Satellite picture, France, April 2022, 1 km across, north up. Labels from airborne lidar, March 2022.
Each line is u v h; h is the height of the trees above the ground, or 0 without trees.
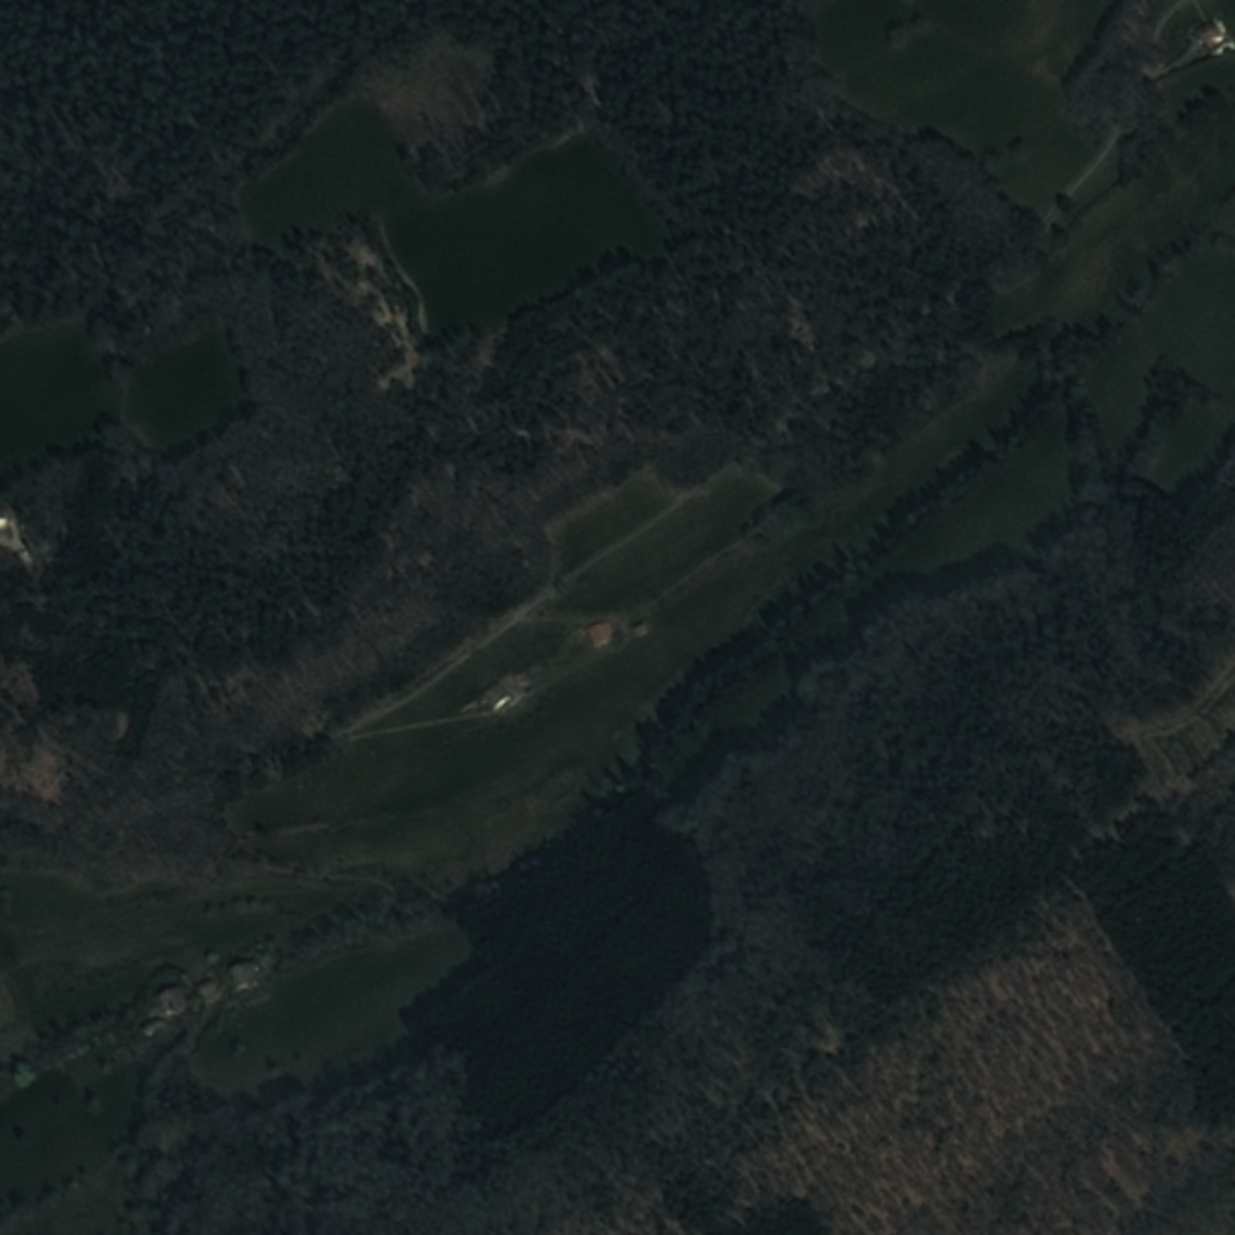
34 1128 0
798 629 23
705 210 30
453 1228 20
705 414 29
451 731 0
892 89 0
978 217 27
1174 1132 37
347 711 27
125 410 0
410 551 21
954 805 17
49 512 29
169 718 24
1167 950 29
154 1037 0
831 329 26
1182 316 0
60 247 16
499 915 19
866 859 19
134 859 28
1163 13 29
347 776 0
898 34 14
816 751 21
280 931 0
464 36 24
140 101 15
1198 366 0
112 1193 0
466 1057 15
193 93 34
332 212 0
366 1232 18
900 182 31
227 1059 0
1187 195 0
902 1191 27
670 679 0
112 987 0
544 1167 23
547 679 0
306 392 24
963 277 12
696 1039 20
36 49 39
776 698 0
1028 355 10
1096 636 28
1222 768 23
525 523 28
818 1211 24
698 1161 20
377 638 34
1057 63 0
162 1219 15
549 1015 19
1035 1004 31
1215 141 0
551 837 0
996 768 18
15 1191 0
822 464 32
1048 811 30
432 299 0
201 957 0
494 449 30
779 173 29
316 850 0
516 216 0
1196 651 19
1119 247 0
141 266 29
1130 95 30
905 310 33
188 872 26
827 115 27
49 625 7
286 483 22
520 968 17
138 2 31
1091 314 0
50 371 0
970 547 0
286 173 0
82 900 0
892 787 20
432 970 0
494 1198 22
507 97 24
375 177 0
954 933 25
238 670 30
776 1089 23
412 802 0
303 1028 0
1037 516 0
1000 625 23
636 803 16
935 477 0
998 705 22
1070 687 22
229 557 19
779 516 21
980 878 25
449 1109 28
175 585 29
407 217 0
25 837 34
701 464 25
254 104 33
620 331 24
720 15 30
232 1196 23
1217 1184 34
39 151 9
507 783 0
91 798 26
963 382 31
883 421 13
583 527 0
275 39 29
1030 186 0
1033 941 25
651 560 0
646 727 0
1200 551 24
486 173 20
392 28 23
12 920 22
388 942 25
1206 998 30
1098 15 0
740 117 34
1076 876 20
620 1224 20
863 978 21
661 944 17
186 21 31
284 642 28
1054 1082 18
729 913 24
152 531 31
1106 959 26
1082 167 0
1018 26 0
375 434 17
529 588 24
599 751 0
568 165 0
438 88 0
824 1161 28
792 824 19
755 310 24
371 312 10
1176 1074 33
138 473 22
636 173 26
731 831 22
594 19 19
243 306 27
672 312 29
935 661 22
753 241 9
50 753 30
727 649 0
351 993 0
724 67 33
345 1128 28
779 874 25
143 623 24
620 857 15
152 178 29
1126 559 23
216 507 27
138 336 26
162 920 0
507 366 14
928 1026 25
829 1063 19
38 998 0
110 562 12
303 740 16
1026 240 28
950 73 0
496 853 0
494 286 0
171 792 27
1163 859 27
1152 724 23
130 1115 0
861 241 24
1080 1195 33
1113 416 0
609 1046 16
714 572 0
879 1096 24
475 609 22
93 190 36
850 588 16
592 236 0
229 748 24
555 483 29
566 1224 23
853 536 0
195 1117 17
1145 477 18
